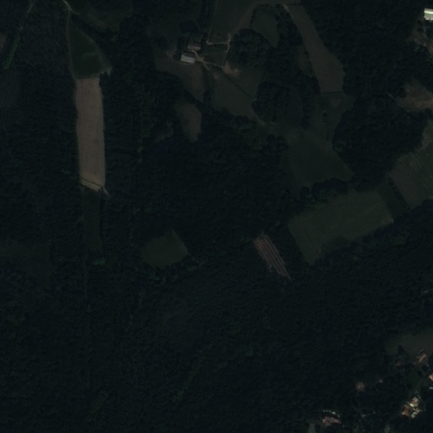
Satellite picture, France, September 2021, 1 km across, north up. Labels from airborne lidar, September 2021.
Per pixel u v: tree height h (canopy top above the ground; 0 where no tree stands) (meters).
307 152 0
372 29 25
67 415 26
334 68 0
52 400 27
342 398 20
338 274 16
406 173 0
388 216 0
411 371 18
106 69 0
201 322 13
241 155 18
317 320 14
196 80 0
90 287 7
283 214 26
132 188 12
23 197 17
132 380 20
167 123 22
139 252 19
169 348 10
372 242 16
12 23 20
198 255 13
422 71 20
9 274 19
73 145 21
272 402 27
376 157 25
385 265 13
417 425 24
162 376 9
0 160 10
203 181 20
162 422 22
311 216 0
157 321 7
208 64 0
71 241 21
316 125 0
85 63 0
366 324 17
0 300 25
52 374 25
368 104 31
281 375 22
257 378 25
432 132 0
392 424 11
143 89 24
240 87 0
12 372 24
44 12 20
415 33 0
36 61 18
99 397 25
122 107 18
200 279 8
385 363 17
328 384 33
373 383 17
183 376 24
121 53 22
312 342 22
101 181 0
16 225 25
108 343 22
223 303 13
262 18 0
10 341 20
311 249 0
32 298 26
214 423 23
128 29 25
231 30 0
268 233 22
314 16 17
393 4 20
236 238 25
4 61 23
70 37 0
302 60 0
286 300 15
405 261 18
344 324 15
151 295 13
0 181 22
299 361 30
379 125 18
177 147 19
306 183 0
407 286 19
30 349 24
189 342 7
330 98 0
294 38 15
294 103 0
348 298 13
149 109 24
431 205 19
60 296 24
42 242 17
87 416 27
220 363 24
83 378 21
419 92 0
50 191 12
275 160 17
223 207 21
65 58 21
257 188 26
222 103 0
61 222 20
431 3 10
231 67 0
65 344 23
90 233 0
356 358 25
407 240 14
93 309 23
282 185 18
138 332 13
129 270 23
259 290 24
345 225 0
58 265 19
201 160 21
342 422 14
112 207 16
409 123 19
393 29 13
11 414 26
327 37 15
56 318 29
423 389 6
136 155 25
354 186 13
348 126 28
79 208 19
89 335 22
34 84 14
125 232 19
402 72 23
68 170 26
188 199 17
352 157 25
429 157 0
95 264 6
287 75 19
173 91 22
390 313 7
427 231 23
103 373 20
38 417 24
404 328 23
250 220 24
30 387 20
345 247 0
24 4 20
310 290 18
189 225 26
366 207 0
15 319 25
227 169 18
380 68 24
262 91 17
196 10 0
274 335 21
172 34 0
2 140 21
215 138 23
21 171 17
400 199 13
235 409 22
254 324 21
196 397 23
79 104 0
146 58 22
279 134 0
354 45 17
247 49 29
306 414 27
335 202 0
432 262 14
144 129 25
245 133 28
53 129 21
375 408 22
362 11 27
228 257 15
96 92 0
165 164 26
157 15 11
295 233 0
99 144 0
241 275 16
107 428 20
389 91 25
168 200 17
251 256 18
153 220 26
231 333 22
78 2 0
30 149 16
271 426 32
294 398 26
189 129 0
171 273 26
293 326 19
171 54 0
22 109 19
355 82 12
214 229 24
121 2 0
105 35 7
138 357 16
